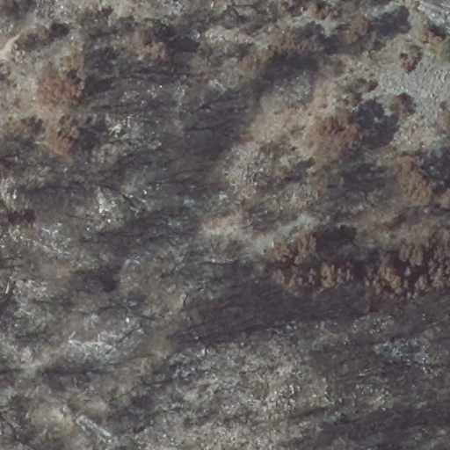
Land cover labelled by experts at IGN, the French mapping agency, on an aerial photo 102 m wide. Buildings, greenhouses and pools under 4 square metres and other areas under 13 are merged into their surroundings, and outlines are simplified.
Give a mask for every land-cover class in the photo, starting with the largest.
<instances>
[{"label":"bare soil","instance_id":"1","mask_svg":"<svg viewBox=\"0 0 450 450\"><path fill-rule=\"evenodd\" d=\"M144 18L160 19L163 25L172 26L176 30L179 39H193L199 42L195 53H183L178 60L192 65V77L179 76L176 84H162L160 74L139 72L142 67L155 65L156 58L153 54H146L144 60L139 62L137 53L128 47L112 49V37H125L128 33H134L132 23ZM346 23L352 28H362L367 33V44L360 58L337 53L341 40L330 33L332 28ZM431 23L445 28L446 33H450V0H0V450H450V323L436 322L429 316L411 315L401 323L381 322L362 330L341 316H327L323 313L309 315L304 311L281 313L276 306L260 301L255 295V274L260 276L264 271L262 264L265 258L271 257L272 253L283 248L301 243L306 239V234L315 227L318 230H332L353 227L357 230L355 241L359 243L360 248L373 250L383 244L390 250L401 246L404 241V229L401 227L403 216L399 214L394 197L388 193L385 181L399 167H410L411 158L406 156L408 151L441 148V139L450 132V63L443 62L438 65L432 62L431 44H425L422 49V60L418 62L417 69L406 72L401 63V53L406 54L410 46L420 44L425 28ZM285 40H292L299 46V67L292 70L283 67L276 74L269 76L265 83L248 88L244 84V70L239 67L237 60H243L250 47L267 49L269 46L276 47L279 42ZM74 63H83L84 69L90 74L86 77L83 90L84 93H88V100L86 105L74 114H63L56 105L46 104L47 88L69 81L67 70H70ZM360 77L366 81H376L378 86L373 91L364 93L362 98L367 100L364 107L348 116V123L357 125V148L345 162L334 163L316 146V139L320 137L316 127H320L325 118H330L336 112V107L345 104L346 86ZM53 137H63L65 141H69V153L74 156L72 160L65 162L49 151V141Z\"/></svg>","mask_w":450,"mask_h":450},{"label":"coniferous trees","instance_id":"2","mask_svg":"<svg viewBox=\"0 0 450 450\"><path fill-rule=\"evenodd\" d=\"M134 33H128L125 37H112V49L128 47L137 53L139 62L144 60L146 54H153L156 58L155 65L142 67L139 72L160 74L162 84H176L179 76L192 77V65L178 60L183 53H195L199 42L193 39H179L176 30L172 26L163 25L160 19L144 18L132 23ZM341 40L337 53L360 58L367 44V33L362 28H352L346 23L332 28L330 33ZM425 44H431L432 62L438 65L443 62L450 63V33H446L445 28L431 23L425 28L420 44L410 46L406 54L401 53V63L406 72L417 69L418 62L422 60V49ZM239 67L244 70V84L248 88L265 83L269 76L276 74L283 67L292 70L299 67V46L292 40H285L279 42L276 47L269 46L267 49L250 47L243 60H237ZM90 74L84 69L83 63H74L70 70H67L69 81L47 88L46 104L56 105L63 114H74L86 105L88 100V93H84L83 90L86 77ZM378 86L376 81H366L360 77L346 86L345 104L336 107V112L330 118H325L320 127H316L320 137L316 139V146L334 163L345 162L357 148V125L348 123V116L364 107L367 100L362 98L364 93L373 91ZM406 156L411 158L410 167H399L385 181L388 193L394 197L399 214L403 216L401 227L404 229V241L401 246L390 250L383 244L373 250L360 248L359 243L355 241L357 230L353 227L332 230H318L315 227L306 234V239L301 243L283 248L272 253L271 257L265 258L262 264L264 271L260 276L255 274V295L260 301L276 306L281 313L304 311L309 315L323 313L327 316H341L362 330L381 322L401 323L411 315L429 316L436 322L450 323V132L441 139V148L408 151ZM69 141H65L63 137H53L49 141V151L65 162L72 160L74 156L69 153Z\"/></svg>","mask_w":450,"mask_h":450}]
</instances>
